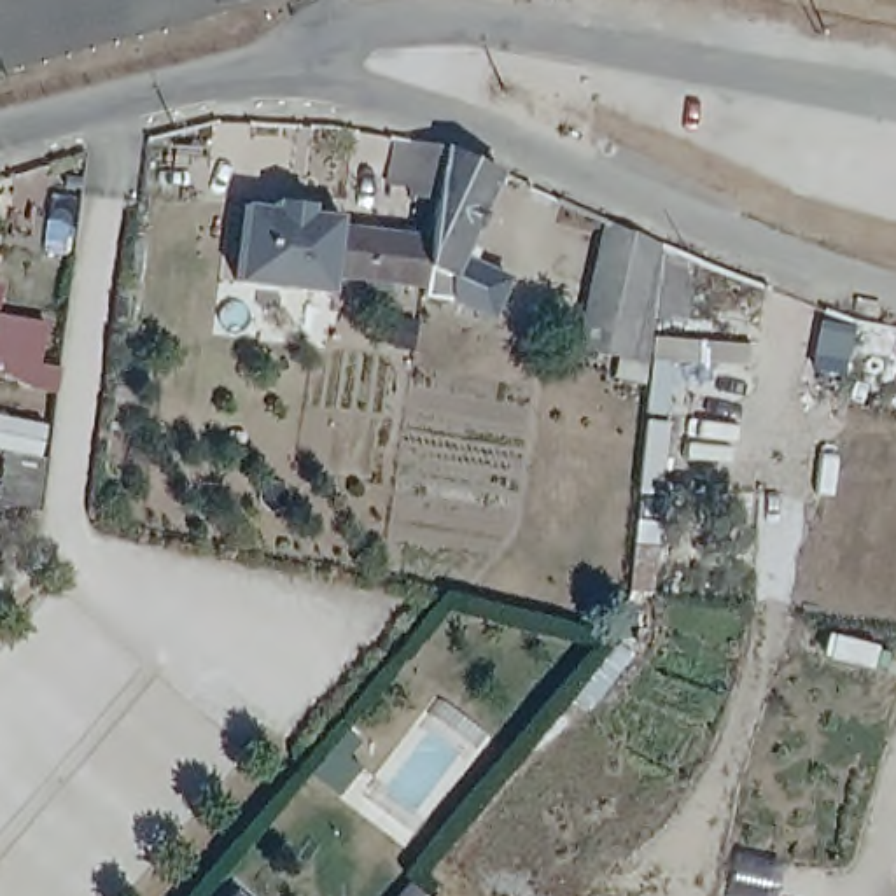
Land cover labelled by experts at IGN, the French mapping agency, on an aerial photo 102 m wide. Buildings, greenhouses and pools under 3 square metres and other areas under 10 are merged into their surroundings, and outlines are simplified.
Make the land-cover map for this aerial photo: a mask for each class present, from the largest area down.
<instances>
[{"label":"impervious surface","instance_id":"1","mask_svg":"<svg viewBox=\"0 0 896 896\"><path fill-rule=\"evenodd\" d=\"M238 0H0V74L21 63L53 60L116 39L189 25L207 14L235 7ZM525 4L536 0H266V35L252 46L0 109V235L46 238V252L56 263L67 252L77 256L67 319L63 382L56 399V452L42 518V536L53 539L60 560L74 567V588H67L63 595H42V588L32 581L18 588L14 599L32 616V630L14 644L0 641V896H137L133 886L151 872L158 844L179 833V826L193 816L186 802L200 798L203 788L217 777L221 781L238 770V760L249 756V746L263 735H291L305 707L326 693V686L343 672L347 662H354L361 644L382 634L385 616L399 602V595L389 592H364L343 585L263 571L186 557L175 550L130 543L98 536L88 515V448L102 378V329L109 315V284L123 207L126 189L137 182L140 144H179L182 154L175 158L172 175L179 186V200H196L200 193H210L224 203L221 252L231 273L238 270L242 221L249 203L312 200L319 207L336 203L340 210L406 217L413 207L406 189H385V140L392 137L420 144H452L476 158L494 154V161L504 165L490 224L476 235L473 245L501 256L504 273L522 277L518 291L511 294L508 319V329L525 336L529 326H536L550 312L557 298L564 305H585L592 301L602 231L595 228L588 238L581 228L560 224L553 189H564L592 207H602L599 217H609V224H620L623 231H634L651 245L683 249L697 259L728 273H742L746 280H767L760 291L763 298L781 294L812 308V315L826 319L847 322L861 333V343L847 354L844 382L851 385L854 399L865 403L868 392L896 378V277L882 266L833 256L826 249L795 242L788 235L746 221L735 207H728V200H711V193L683 182L686 175L672 161L644 147L630 144L620 151L616 158H574L522 133L504 119L462 105L459 98L371 74L368 56L413 46H480L504 53H536L564 63H595L648 77L690 81L721 91L851 112L865 119H886L896 126V67L889 74H875L854 67L756 56L725 46H700L665 39L658 32L588 28L574 21H529L518 14L525 11ZM329 126H343L354 133V151L336 161H322V154H315V147L326 137H333ZM221 301L214 336L235 340L266 343H287L291 336L305 333L308 343L319 350H361L368 357H392L396 347L371 343L361 329H354L340 315V294L231 277L217 287ZM389 294L399 308H406L396 347L413 350L420 322L427 319V284H392ZM805 536V518L802 501L774 497L770 518H760V525L756 595L763 602H791L795 557ZM644 651V644L630 637L609 655L592 672L585 690L543 732L536 746L539 753H550V746L567 728L585 721L588 711H595L606 700L623 669ZM424 739H441L452 749V763L431 784L420 805L403 809L389 798V784L399 777V770L420 749ZM494 735L476 721L462 718L455 707H441L438 714L413 718V728L403 735V742L382 770H361L343 791L347 809L385 830L403 847L417 837V830L462 781V774L476 763V756L490 746Z\"/></svg>","mask_w":896,"mask_h":896},{"label":"herbaceous vegetation","instance_id":"2","mask_svg":"<svg viewBox=\"0 0 896 896\"><path fill-rule=\"evenodd\" d=\"M266 0H238L235 7L207 14L189 25L116 39L53 60L21 63L0 74V109L252 46L266 35ZM718 7L742 14L749 21H784L816 39L823 35L865 46H889L896 53V0H714ZM592 137L616 144L620 151L630 144L644 147L672 161L686 175L683 182L711 193V200H728V207H735L746 221L788 235L795 242L826 249L833 256L882 266L896 277V214L875 217L865 210L791 193L788 186L746 165H735L714 151H704L693 140H679L609 105L595 109ZM182 154L179 144H140L137 182L126 189L123 207H133L140 214L137 280L123 291L126 312L119 315V326H130L133 333H140L144 319H154L182 347V361L161 375L158 420H186L193 431L228 427L238 441L259 448L266 466L280 476L284 487H277L273 494L256 490L242 469H231L224 476V487L231 494L252 497V522L263 532V546L270 550L263 571L343 585L336 571H326L319 578V560L333 553V546L347 543L333 529V518L336 511H350L336 497V483L319 466V459L312 452H298L294 445L305 382L301 375L305 368H315L319 350L308 343L305 333L291 336L287 343H266L277 378L256 385L245 371H238L235 340L214 336L221 301L217 287L231 277V273L221 252L224 203L210 193H200L196 200H179V186L172 175L175 158ZM560 224L581 228L588 238L595 228L602 231L609 224V217H599L602 207H592L564 189H553ZM56 263L46 252V238L0 235V284L7 301L4 315H39V305L53 294ZM767 280H746L742 273H728L697 259L693 305H700V319L763 298L760 291ZM413 350L417 354L410 357V368L431 378L452 382L480 375L497 385H511L515 396H532L518 469H494L490 476V483L497 487L490 497L494 508L522 511L518 539L504 553L508 564L497 567L487 588L455 578H438L434 592H459L553 620L578 623L592 613H609L616 595H630L651 385L623 382L620 357L599 364V371H581L564 382H539L522 368L525 336L508 329V319L476 312L459 298L427 301V319L420 322ZM868 410L847 420L840 431L837 494L823 497L816 511L805 518V536L795 557L791 602V606L802 602L816 613L833 616H896V378L868 392L865 403ZM0 413L32 424L56 420V399L28 382H21L18 389H0ZM98 441H105L102 469L109 480L119 476L123 462L126 441L119 424H105ZM140 473L147 476V497H137L130 504L133 518H140L144 508H154L168 518L172 529L186 525V508L172 497L165 473L151 462V455L140 452L137 466ZM700 525L697 518H690L683 525L662 529V564L693 560ZM581 665H588L592 672L599 665L585 644H567L564 637L539 630L522 634L515 627L480 620L469 613H445L434 634L420 644V651L399 669V683L406 686V707L392 711V718L382 725H357L350 732L361 746V770H382L403 742V735L413 728V718L438 714L441 707H455L462 718L476 721L494 735L490 746L476 756V763L462 774V781L417 830V837L403 847L385 830L347 809L343 791L329 788L315 774L280 809L273 833L263 837L259 851H249L235 868V896H403L413 882L417 858L431 847L441 826L455 816V809L476 791V784L501 763L515 739L539 718V711L571 683V676ZM896 735V655L858 637H830V644H816L812 627L795 620L788 627L784 655L774 662L770 672L763 721L756 725L749 756L739 770L735 844L774 851L781 868H840L854 861L858 840L865 833V816L879 784L882 746ZM595 725L585 721L567 728L550 746V753H539L536 746L490 795V802L455 840V847L438 861V896H637L634 889H620V875L630 868V854L644 840L658 837L679 816L697 781H679L672 798L658 802L651 798V777L644 774L606 777L602 742L592 732ZM221 791L242 802L238 819L224 833L210 837V830L193 816L179 826V833L182 840L203 851L196 872L175 889L151 872L133 886L137 896H189L273 802L266 784L256 788L238 770L221 781Z\"/></svg>","mask_w":896,"mask_h":896},{"label":"pervious surface","instance_id":"3","mask_svg":"<svg viewBox=\"0 0 896 896\"><path fill-rule=\"evenodd\" d=\"M529 21H574L588 28L658 32L665 39L700 46H725L756 56L854 67L875 74H889L896 67V53L889 46H865L823 35L816 39L784 21H749L742 14L718 7L714 0H536L525 4V11L518 14ZM371 74L459 98L462 105L504 119L522 133L574 158H616L620 151L616 144L592 137L595 109L609 105L679 140H693L704 151H714L735 165H746L788 186L791 193L865 210L875 217L896 214V126L886 119H865L851 112L721 91L690 81L648 77L595 63H564L536 53H504L480 46H413L368 56ZM826 319L812 315V308L781 294L763 298L700 319L676 315V329H655V340L749 343V354L739 361L714 357L711 364H700L693 378H683L690 389V413H665V424L672 427V441L679 445V462L686 469H672L655 480V518L665 515L669 490H718L725 480H732L739 487L746 522L760 525V518H770L774 497L802 501L805 518L816 511L823 497L837 494L840 431L847 420L868 410L865 403L854 399L851 385L844 382L837 371H826V382L816 385L809 364V357L819 350ZM32 581L18 567V546L4 550L0 571V606H11L14 599L18 588ZM756 613L746 630V641L732 648V658L739 662V683L728 693V714L718 732L714 756L697 781L679 816L658 837L644 840L630 854V868L620 875V889H634L637 896H725V875L718 861L735 844L739 770L749 756L756 725L763 721L770 672L774 662L784 655L788 627L795 620L791 606V602H763L756 595L753 602ZM784 889L777 896H896V735L882 746L879 784L865 816V833L858 840L854 861L840 868H781Z\"/></svg>","mask_w":896,"mask_h":896},{"label":"building","instance_id":"4","mask_svg":"<svg viewBox=\"0 0 896 896\"><path fill-rule=\"evenodd\" d=\"M385 189H406L413 207L406 217L340 210L336 203L319 207L312 200L249 203L242 221L238 270L231 273V277L340 294L347 284L357 280L389 294L392 284H427V301L459 298L476 312L508 319L511 294L518 291L522 277L504 273L501 256L473 245L476 235L490 224L504 165L494 161V154L476 158L452 144H420L392 137L385 140ZM697 259L683 249L651 245L634 231H623L620 224H609L602 231L592 301L585 305V329H599V347L592 354V361L599 364L620 357L623 382L651 385L630 595V602H648L655 595L662 564V529L655 518V480L672 469H686L679 462V445L672 441V427L665 424V413H690V389L683 378H693L700 364H711L714 357L739 361L749 354V343L655 340V329H676V315L700 319V305H693ZM7 301L0 284V389H18L21 382H28L56 399L63 382L67 319L39 315H4ZM861 343V333L847 322L826 319L819 350L809 357V364L816 385L826 382V371H837L844 382L847 354ZM56 452V420L32 424L0 413V508H28L42 518ZM361 746L350 732L329 749L315 774L329 788L343 791L361 770ZM725 875V896H777L784 889L781 868L774 851L735 844L718 861Z\"/></svg>","mask_w":896,"mask_h":896},{"label":"deciduous trees","instance_id":"5","mask_svg":"<svg viewBox=\"0 0 896 896\"><path fill-rule=\"evenodd\" d=\"M333 137H326L315 147V154H322V161H336L354 151V133L343 126H329ZM406 308H399L389 294L357 280L347 284L340 294V315L354 329H361L371 343L396 347ZM585 305H564L557 298L550 312L536 326H529L525 336L522 368L539 382H564L581 371H599V364L592 361V354L599 347V329H585ZM182 361V347L154 319H144L140 333H133L130 364L123 375L126 385L116 389V403H123L119 424L126 441L123 462L137 466L140 452L151 455V462L165 473L172 497L186 508V525L200 532V543L193 550H175L186 557L263 571L270 550L263 546V532L252 522V497L231 494L224 487V476L231 469H242L256 490L273 494L277 487H284L280 476L266 466L259 448L238 441L228 427L193 431L186 420H158L161 375ZM238 371H245L256 385L277 378L266 343L235 340ZM137 497H147V476L140 473L133 476V487L123 497H109L88 515L98 536L130 543L140 532V518H133L130 504ZM690 518H697L700 525L693 560L662 564L655 595L711 609H746L753 602L756 595L760 525L746 522L739 487L732 480H725L718 490H669L665 515L655 518L662 529L683 525ZM18 546V567L32 581L42 588V595H63L67 588H74V567L60 560L53 539L42 536V518L28 508H0V571L4 550ZM333 529L347 543L350 553L364 560L382 543L378 532L357 525L350 511H336L333 518ZM32 630V616L14 599L11 606H0V641L14 644ZM413 620L399 602L385 616L382 634L361 644L354 662H347L343 672L326 686V693L305 707L291 735H263L249 746V756L238 760V770L256 788L266 784L284 770L287 739L312 746L322 735L326 721L357 690V683L385 658L389 644L403 630H410ZM406 707V686L399 683V669L392 665L364 693L361 707L354 711L357 725H382L392 718V711ZM193 816L210 830V837L224 833L238 819L242 802L221 791V781L217 777L203 788L200 798L186 802ZM203 851L182 840L179 833L158 844L151 872L175 889L196 872Z\"/></svg>","mask_w":896,"mask_h":896},{"label":"brushwood","instance_id":"6","mask_svg":"<svg viewBox=\"0 0 896 896\"><path fill-rule=\"evenodd\" d=\"M140 214L133 207H123L109 284V315L102 329V378L88 448V515L109 497H123L133 487V476L140 473L137 466L123 462L119 476L109 480L102 469L105 441H98L105 424H119L123 403H116V389L126 385L123 375L130 364L133 333L130 326H119V315L126 312L123 291L137 280ZM77 256L67 252L56 263L53 294L39 305V315L67 319ZM130 543L175 550H193L200 543V532L186 525L172 529L168 518L154 508H144L140 518V532ZM326 571H336L343 585L364 592H389L399 595V602L413 620L410 630H403L389 644L385 658L357 683V690L326 721L322 735L312 746L287 739L284 770L266 784L273 802L189 896H235V868L249 851H259L263 837L273 833L280 809L315 774L329 749L350 732L357 725L354 711L361 707L364 693L392 665L399 669L420 651V644L434 634L445 613H469L480 620L515 627L522 634L539 630L564 637L567 644H585L599 665L609 655L602 641H592V613L578 623L553 620L459 592H434L438 578L392 571L382 543L364 560L350 553L347 543L333 546V553L319 560V578ZM637 616L630 637L644 644V651L623 669L606 700L595 711H588L585 721L595 725L592 732L602 742L606 777L644 774L651 777V798L658 802L672 798L679 781H697L714 756L718 732L728 714V693L739 683V662L732 658V648L746 641V630L756 613L753 602L746 609H711L655 595L648 602H630ZM795 620L812 627L816 644H830V637H858L896 655V616H833L816 613L802 602L791 606ZM592 672L588 665H581L571 676V683L539 711V718L515 739L501 763L476 784V791L455 809V816L441 826L431 847L417 858L413 882L403 896H438V861L455 847V840L490 802V795L536 746L543 732L585 690Z\"/></svg>","mask_w":896,"mask_h":896},{"label":"agricultural land","instance_id":"7","mask_svg":"<svg viewBox=\"0 0 896 896\"><path fill-rule=\"evenodd\" d=\"M417 354L413 350L396 347L392 357H368L361 350H319L315 368H305L301 375L305 382L294 445L298 452H312L319 459V466L336 483V497L350 511L357 525L378 532L382 543L392 571L438 578H455L487 588L497 567L508 564L504 553L518 539L522 511L494 508L490 497L497 487L490 483V476L494 469H518L532 396H515L511 385H497L480 375L452 382L431 378L410 368V357Z\"/></svg>","mask_w":896,"mask_h":896},{"label":"swimming pool","instance_id":"8","mask_svg":"<svg viewBox=\"0 0 896 896\"><path fill-rule=\"evenodd\" d=\"M452 763V749L441 739H424L420 749L399 770V777L389 784V798L403 809L420 805L431 784Z\"/></svg>","mask_w":896,"mask_h":896},{"label":"coniferous trees","instance_id":"9","mask_svg":"<svg viewBox=\"0 0 896 896\"><path fill-rule=\"evenodd\" d=\"M637 616L630 602V595H616L609 613H592V641H602L609 655L630 637Z\"/></svg>","mask_w":896,"mask_h":896}]
</instances>
